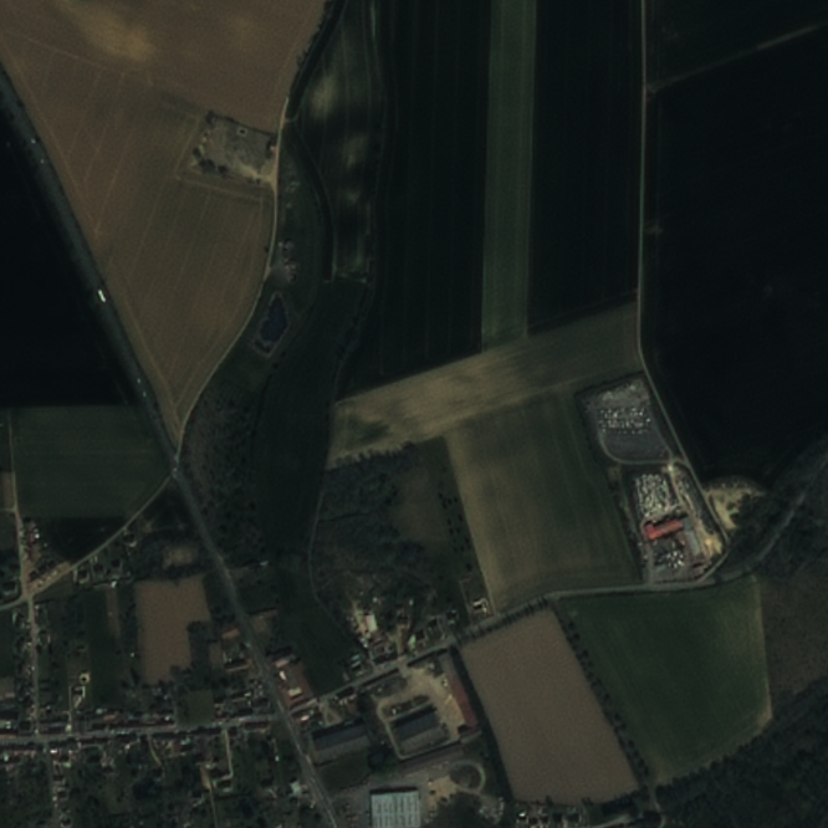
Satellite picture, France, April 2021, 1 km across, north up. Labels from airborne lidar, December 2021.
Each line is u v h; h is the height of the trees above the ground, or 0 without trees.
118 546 6
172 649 0
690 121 0
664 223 0
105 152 0
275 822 0
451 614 7
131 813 0
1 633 0
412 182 0
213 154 0
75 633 6
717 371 0
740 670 0
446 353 0
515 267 0
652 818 15
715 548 0
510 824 13
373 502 18
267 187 0
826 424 0
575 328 0
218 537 7
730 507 0
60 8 0
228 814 8
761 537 12
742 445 0
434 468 0
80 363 0
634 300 0
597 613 0
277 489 0
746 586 0
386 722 0
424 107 0
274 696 0
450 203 0
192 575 6
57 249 0
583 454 0
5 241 0
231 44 0
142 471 0
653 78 0
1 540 0
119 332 0
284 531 0
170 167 0
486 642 0
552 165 0
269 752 16
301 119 0
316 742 0
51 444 0
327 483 15
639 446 0
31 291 0
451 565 0
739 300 0
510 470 0
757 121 0
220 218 0
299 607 0
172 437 0
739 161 0
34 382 0
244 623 0
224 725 0
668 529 0
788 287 0
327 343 0
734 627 0
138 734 0
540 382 0
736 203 0
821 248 0
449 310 0
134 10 0
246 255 0
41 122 0
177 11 0
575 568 0
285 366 0
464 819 0
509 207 0
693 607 0
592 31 0
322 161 0
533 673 0
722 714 0
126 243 0
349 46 0
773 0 0
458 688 0
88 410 0
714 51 0
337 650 0
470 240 0
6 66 0
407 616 0
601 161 0
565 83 0
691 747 0
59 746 0
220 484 8
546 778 0
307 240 0
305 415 0
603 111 0
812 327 0
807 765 12
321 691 0
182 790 15
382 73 0
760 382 0
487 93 0
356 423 0
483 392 0
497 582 0
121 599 0
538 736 0
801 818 0
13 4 0
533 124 0
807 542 7
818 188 0
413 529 0
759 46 0
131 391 0
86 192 0
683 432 0
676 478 0
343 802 0
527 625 0
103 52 0
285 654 0
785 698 7
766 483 0
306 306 0
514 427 0
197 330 0
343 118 0
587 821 0
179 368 0
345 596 0
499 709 0
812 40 0
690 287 0
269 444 0
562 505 0
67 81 0
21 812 0
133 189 0
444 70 0
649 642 0
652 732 0
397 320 0
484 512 0
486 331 0
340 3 0
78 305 0
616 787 0
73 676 0
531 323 0
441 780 0
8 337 0
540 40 0
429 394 0
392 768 14
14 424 0
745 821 19
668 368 0
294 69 0
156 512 0
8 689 0
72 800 7
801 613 0
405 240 0
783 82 0
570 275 0
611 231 0
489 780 0
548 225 0
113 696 0
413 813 0
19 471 0
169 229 0
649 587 0
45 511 0
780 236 0
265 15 0
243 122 0
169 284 0
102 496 0
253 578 0
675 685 0
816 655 0
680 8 0
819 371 0
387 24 0
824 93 0
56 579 0
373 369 0
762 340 0
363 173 0
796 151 0
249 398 0
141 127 0
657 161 0
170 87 0
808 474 17
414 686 0
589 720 0
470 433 0
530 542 0
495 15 0
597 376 0
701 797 16
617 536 0
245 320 0
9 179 0
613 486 10
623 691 0
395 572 13
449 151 0
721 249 0
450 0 0
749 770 15
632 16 0
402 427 0
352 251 0
